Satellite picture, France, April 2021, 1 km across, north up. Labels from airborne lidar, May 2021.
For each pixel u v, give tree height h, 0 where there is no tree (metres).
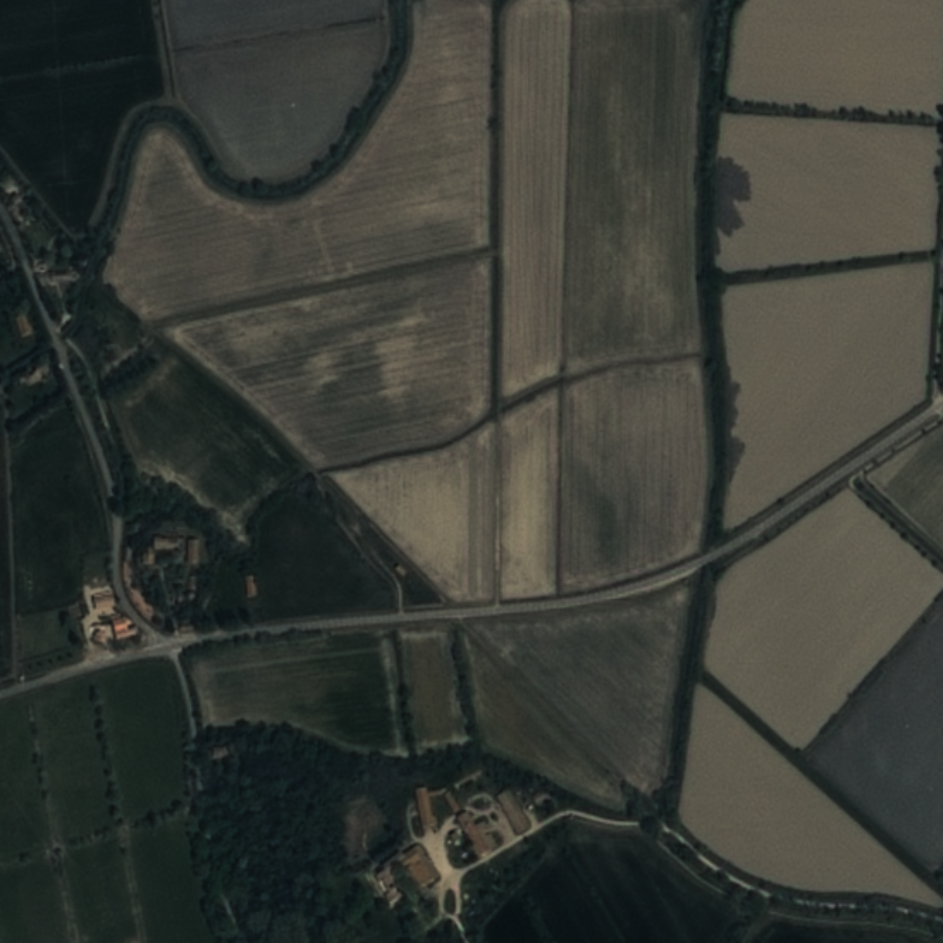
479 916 10
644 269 0
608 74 0
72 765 0
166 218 0
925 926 11
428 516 0
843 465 0
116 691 0
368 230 0
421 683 0
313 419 0
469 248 0
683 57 0
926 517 0
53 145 0
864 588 0
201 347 0
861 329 0
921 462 0
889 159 0
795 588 0
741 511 0
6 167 10
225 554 7
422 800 0
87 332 8
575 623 0
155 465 0
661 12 0
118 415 0
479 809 0
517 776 11
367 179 0
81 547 0
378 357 0
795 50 0
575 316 0
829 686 0
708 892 0
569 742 0
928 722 0
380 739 0
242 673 0
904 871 0
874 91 0
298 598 0
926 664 0
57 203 0
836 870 0
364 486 0
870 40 0
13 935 0
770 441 0
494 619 0
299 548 0
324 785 8
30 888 0
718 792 0
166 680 0
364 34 0
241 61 0
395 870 20
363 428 0
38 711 0
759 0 0
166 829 0
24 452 0
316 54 0
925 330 0
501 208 0
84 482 0
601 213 0
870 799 0
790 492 0
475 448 0
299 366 0
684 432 0
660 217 0
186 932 0
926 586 0
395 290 0
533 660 0
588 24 0
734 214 0
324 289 0
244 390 0
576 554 0
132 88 0
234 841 12
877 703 0
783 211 0
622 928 0
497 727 0
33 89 0
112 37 0
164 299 0
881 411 0
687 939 0
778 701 0
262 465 0
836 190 0
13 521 0
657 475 0
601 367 0
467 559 0
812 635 0
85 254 10
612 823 0
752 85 0
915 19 0
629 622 0
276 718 0
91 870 0
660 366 0
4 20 0
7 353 0
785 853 0
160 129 0
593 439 0
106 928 0
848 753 0
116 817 10
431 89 0
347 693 0
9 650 0
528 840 9
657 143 0
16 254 8
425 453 0
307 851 18
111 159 0
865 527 0
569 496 0
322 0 0
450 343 0
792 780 0
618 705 0
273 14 0
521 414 0
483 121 0
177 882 0
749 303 0
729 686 0
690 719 8
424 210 0
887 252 0
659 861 0
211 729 9
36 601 0
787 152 0
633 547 0
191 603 7
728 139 0
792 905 12
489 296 0
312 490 7
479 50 0
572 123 0
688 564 0
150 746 0
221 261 0
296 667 0
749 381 0
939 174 12
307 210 0
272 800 7
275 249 0
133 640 10
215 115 0
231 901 17
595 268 0
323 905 17
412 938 23
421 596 0
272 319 0
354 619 0
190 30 0
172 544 0
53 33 0
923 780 0
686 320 0
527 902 10
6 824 0
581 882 0
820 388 0
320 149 0
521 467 0
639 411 0
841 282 0
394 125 0
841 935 0
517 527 0
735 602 0
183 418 0
